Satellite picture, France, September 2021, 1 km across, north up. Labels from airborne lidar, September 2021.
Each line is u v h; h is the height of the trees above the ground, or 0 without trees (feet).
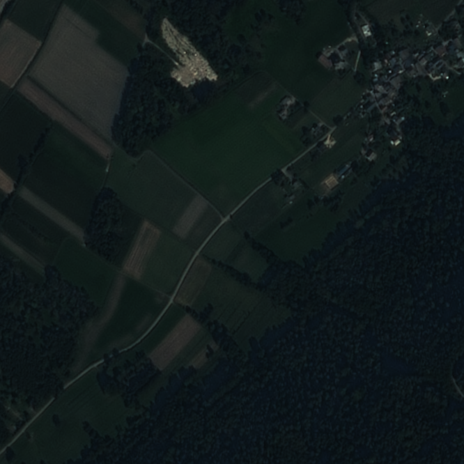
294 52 0
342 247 91
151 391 0
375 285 81
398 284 101
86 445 0
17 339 73
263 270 0
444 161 82
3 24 0
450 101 0
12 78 0
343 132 0
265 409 96
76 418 0
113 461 47
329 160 0
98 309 27
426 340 77
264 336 0
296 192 0
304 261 0
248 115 0
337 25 0
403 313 100
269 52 0
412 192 85
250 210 0
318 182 0
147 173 0
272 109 0
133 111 80
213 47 86
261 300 0
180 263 0
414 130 66
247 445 81
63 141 0
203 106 129
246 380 74
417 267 64
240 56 91
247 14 0
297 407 98
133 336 0
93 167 0
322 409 33
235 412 107
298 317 85
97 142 0
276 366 103
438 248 37
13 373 76
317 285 69
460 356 47
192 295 0
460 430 57
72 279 0
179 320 0
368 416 93
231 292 0
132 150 57
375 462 57
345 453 102
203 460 72
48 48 0
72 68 0
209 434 95
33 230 28
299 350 89
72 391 0
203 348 0
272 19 44
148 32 47
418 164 73
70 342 70
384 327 97
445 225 98
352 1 56
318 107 0
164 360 0
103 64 0
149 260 0
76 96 0
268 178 0
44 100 0
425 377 80
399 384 73
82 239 0
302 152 0
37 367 78
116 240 66
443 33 23
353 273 62
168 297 0
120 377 52
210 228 0
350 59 31
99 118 0
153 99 64
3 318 90
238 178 0
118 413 0
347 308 104
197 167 0
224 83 0
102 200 43
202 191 0
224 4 72
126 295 0
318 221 0
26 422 22
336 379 90
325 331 93
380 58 25
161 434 70
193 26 72
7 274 85
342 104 0
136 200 0
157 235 0
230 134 0
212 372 0
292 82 0
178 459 60
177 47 0
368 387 112
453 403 58
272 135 0
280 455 60
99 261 0
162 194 0
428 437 65
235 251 0
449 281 28
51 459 0
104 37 0
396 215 113
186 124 0
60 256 0
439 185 93
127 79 0
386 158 0
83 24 0
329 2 0
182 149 0
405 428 81
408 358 73
